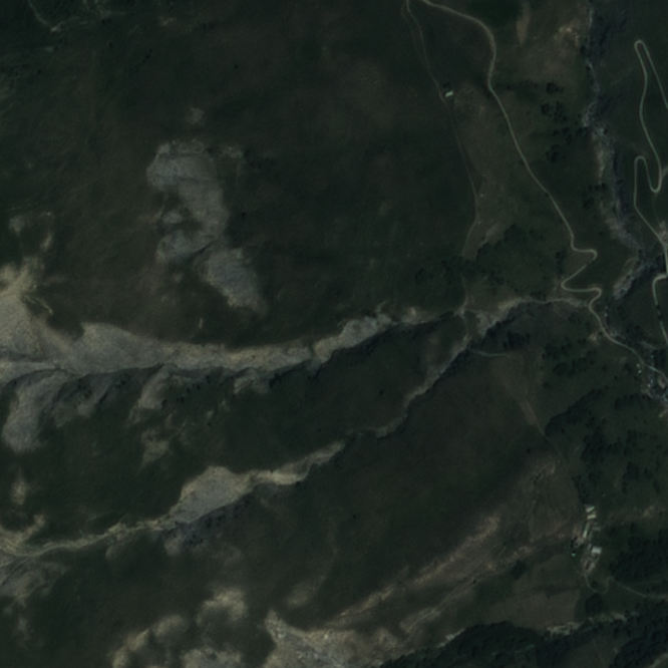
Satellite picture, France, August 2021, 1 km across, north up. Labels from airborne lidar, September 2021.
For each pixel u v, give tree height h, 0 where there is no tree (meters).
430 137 0
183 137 0
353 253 0
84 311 0
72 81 0
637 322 0
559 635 8
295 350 0
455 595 0
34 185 0
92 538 0
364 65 0
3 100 0
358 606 0
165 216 0
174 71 0
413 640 0
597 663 0
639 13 0
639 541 9
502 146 0
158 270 0
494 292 0
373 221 0
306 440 0
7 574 0
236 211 0
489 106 0
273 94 0
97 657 0
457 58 0
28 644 0
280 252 0
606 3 0
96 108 0
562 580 0
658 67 0
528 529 0
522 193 0
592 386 0
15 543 0
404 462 0
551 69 0
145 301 0
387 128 0
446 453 0
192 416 0
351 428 0
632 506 0
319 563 0
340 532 0
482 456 0
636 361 0
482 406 0
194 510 0
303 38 0
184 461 0
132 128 0
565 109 11
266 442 0
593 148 0
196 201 0
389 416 0
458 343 0
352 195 0
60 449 0
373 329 0
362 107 0
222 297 0
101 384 0
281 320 0
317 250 0
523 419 0
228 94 0
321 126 0
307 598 0
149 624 0
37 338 0
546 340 0
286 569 0
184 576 0
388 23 0
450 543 0
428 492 0
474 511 0
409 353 0
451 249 0
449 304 0
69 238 0
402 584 0
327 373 0
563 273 8
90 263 0
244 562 0
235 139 0
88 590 0
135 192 0
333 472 0
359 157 0
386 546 0
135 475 0
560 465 0
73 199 0
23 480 0
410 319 0
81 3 0
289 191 0
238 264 0
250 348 0
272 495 0
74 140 0
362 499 0
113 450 0
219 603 0
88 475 0
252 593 0
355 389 0
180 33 0
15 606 0
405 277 0
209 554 0
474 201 0
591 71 8
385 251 0
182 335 0
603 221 0
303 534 0
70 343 0
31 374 0
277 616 0
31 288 0
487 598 0
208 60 0
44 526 0
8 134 0
